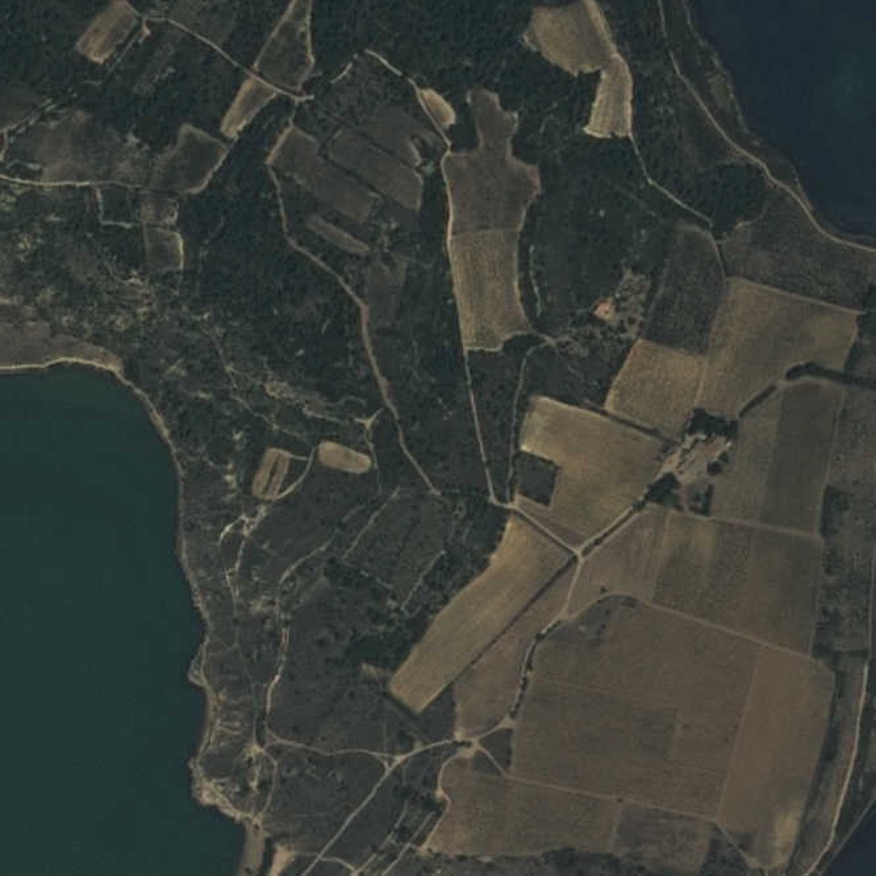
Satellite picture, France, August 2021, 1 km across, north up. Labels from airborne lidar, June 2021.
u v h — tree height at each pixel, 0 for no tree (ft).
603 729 0
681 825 0
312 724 0
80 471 0
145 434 0
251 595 0
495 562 0
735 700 0
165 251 0
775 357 0
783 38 0
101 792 0
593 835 0
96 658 0
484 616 0
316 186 0
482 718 0
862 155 0
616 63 0
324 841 0
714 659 0
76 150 0
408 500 0
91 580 0
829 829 0
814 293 0
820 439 0
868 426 0
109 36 0
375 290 0
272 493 0
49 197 0
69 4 26
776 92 0
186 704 0
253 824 0
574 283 0
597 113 0
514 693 0
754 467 0
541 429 0
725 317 0
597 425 0
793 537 0
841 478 0
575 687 0
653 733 0
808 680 0
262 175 29
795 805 0
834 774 0
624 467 0
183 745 0
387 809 0
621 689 0
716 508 0
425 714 0
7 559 0
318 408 0
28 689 0
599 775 0
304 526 0
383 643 30
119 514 0
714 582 0
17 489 0
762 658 0
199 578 0
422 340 0
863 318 28
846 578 0
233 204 25
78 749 0
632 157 31
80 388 0
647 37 26
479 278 0
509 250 0
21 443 0
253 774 0
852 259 0
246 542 0
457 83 32
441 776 0
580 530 0
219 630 0
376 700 0
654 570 0
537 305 0
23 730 0
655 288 21
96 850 0
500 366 0
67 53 23
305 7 0
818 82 0
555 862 0
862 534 0
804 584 0
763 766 0
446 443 22
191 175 0
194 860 0
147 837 0
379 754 0
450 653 0
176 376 0
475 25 33
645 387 0
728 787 0
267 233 25
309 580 0
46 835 0
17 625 0
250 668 0
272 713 0
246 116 0
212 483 0
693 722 0
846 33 0
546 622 0
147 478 0
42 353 0
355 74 22
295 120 23
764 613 0
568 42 0
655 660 0
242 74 36
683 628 0
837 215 0
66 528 0
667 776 0
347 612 0
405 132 0
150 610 0
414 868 0
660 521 0
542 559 0
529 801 0
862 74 0
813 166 0
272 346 22
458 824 0
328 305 24
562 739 0
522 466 0
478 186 0
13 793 0
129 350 0
